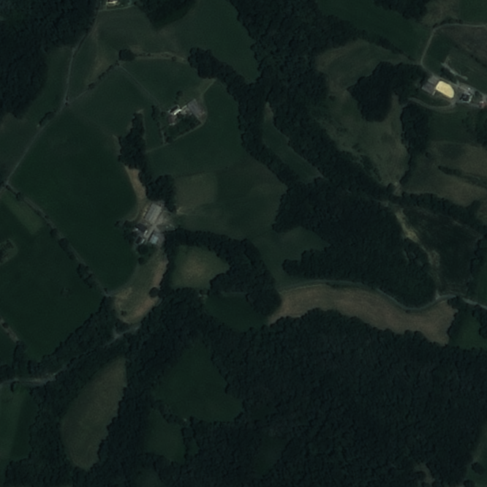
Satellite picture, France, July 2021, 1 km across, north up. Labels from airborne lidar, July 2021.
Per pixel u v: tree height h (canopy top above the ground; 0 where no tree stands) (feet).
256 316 0
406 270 36
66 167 0
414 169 25
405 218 0
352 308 0
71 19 84
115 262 0
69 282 0
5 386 0
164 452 0
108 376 0
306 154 73
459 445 62
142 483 0
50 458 55
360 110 20
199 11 0
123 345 43
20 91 71
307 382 85
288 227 32
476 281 30
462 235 0
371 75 28
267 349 63
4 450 0
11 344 0
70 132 0
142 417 70
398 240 52
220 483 80
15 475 75
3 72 80
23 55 57
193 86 0
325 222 66
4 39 52
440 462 60
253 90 60
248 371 62
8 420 0
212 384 0
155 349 73
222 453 88
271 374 54
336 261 58
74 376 80
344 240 57
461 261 0
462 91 0
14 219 0
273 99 81
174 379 0
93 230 0
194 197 0
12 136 0
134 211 0
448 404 25
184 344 87
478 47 0
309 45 55
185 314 56
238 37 0
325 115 19
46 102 0
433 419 44
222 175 0
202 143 0
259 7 100
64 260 0
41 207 0
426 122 46
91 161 0
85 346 57
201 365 0
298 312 0
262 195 0
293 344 55
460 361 84
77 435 0
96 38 0
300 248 0
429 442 52
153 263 0
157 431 0
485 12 0
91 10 76
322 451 60
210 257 0
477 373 72
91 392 0
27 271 0
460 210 36
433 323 0
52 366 60
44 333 0
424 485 45
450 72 65
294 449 43
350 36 39
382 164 0
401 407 75
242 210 0
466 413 57
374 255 49
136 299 0
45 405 77
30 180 0
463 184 0
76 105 0
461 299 65
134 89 0
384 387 73
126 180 0
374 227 68
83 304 0
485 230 44
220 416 0
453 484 62
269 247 0
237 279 78
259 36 72
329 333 64
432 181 0
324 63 0
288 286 0
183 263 0
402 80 85
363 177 70
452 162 0
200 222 0
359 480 60
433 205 31
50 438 59
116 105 0
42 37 30
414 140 64
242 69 0
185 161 0
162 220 0
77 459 0
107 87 0
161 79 0
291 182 71
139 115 57
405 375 64
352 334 68
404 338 71
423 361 77
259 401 58
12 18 24
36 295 0
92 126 0
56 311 0
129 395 84
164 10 30
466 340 0
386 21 0
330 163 51
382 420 63
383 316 0
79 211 0
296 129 70
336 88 0
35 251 0
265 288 62
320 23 43
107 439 28
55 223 0
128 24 0
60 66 0
